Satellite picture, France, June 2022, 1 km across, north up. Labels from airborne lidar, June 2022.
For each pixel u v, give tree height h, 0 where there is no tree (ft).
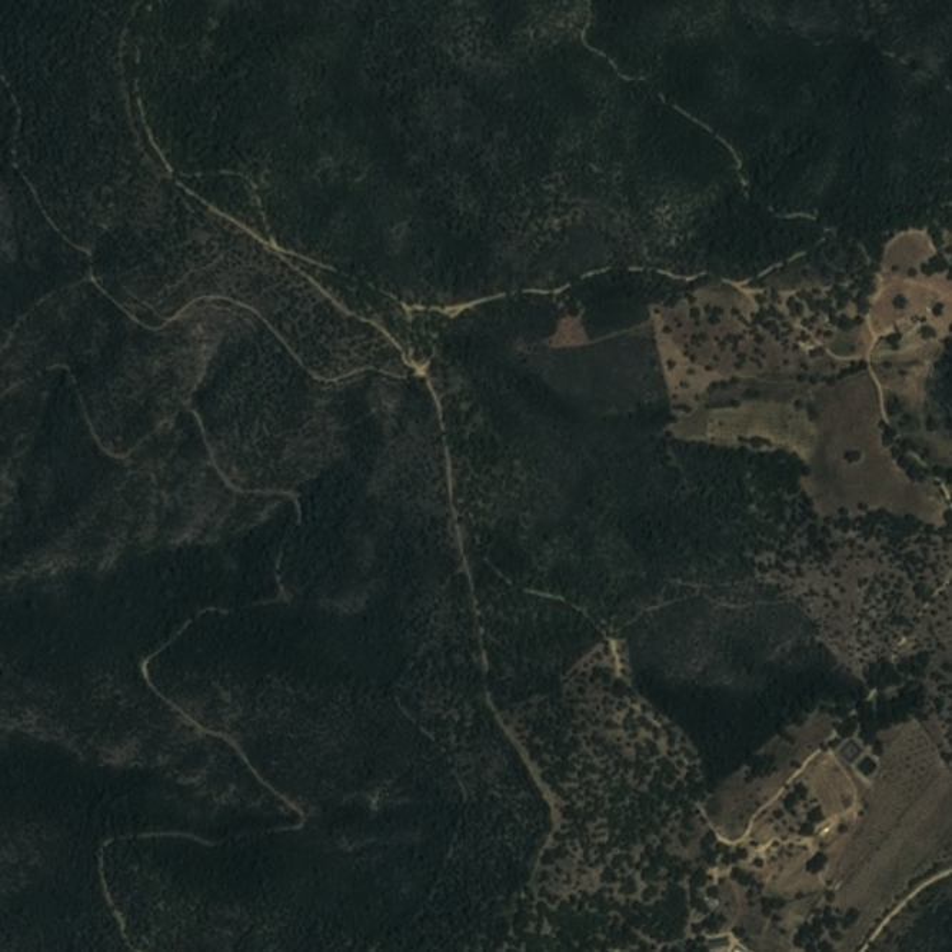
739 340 20
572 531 21
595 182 19
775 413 0
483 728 24
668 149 18
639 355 0
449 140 22
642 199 18
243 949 32
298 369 26
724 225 35
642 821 31
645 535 19
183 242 26
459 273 30
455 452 19
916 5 28
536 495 20
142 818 37
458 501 20
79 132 29
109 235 20
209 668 19
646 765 23
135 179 28
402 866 18
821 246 22
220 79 26
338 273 21
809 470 32
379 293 23
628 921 26
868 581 21
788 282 0
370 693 25
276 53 26
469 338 25
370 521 28
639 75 22
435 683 22
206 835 21
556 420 20
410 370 25
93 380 21
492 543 33
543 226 22
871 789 0
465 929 22
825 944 24
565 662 21
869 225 27
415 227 30
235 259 23
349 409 22
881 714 28
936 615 26
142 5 23
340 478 32
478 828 22
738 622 21
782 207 31
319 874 28
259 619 22
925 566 19
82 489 19
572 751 28
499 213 18
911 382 0
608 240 22
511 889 27
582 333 0
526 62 23
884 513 30
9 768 21
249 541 34
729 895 0
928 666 33
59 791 32
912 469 32
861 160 18
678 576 24
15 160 37
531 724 26
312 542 26
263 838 18
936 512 0
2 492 21
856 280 22
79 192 25
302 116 28
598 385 0
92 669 19
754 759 31
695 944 30
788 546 26
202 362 0
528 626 24
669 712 21
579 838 22
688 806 35
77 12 31
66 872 20
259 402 19
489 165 18
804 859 0
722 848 25
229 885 24
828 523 25
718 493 30
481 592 22
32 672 18
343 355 20
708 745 21
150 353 19
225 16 24
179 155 26
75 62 24
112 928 31
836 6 22
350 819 20
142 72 33
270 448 30
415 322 25
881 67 21
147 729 18
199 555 27
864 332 0
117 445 24
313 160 21
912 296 0
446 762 25
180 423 24
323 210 22
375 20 21
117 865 29
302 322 20
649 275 21
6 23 26
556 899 22
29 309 23
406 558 23
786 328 32
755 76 30
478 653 23
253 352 22
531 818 19
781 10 20
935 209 25
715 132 21
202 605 23
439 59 20
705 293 0
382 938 27
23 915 31
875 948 29
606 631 20
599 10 30
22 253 18
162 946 32
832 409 0
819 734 0
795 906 0
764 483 34
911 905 20
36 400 21
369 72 22
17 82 37
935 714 24
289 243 24
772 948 0
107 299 22
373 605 23
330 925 28
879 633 22
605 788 22
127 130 24
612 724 31
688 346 18
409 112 35
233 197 25
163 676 22
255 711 25
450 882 23
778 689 26
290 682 26
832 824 0
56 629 18
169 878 28
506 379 23
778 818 18
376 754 19
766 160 38
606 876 24
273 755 19
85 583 18
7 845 19
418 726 19
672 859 23
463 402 21
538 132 27
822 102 26
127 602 29
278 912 27
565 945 31
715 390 19
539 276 24
